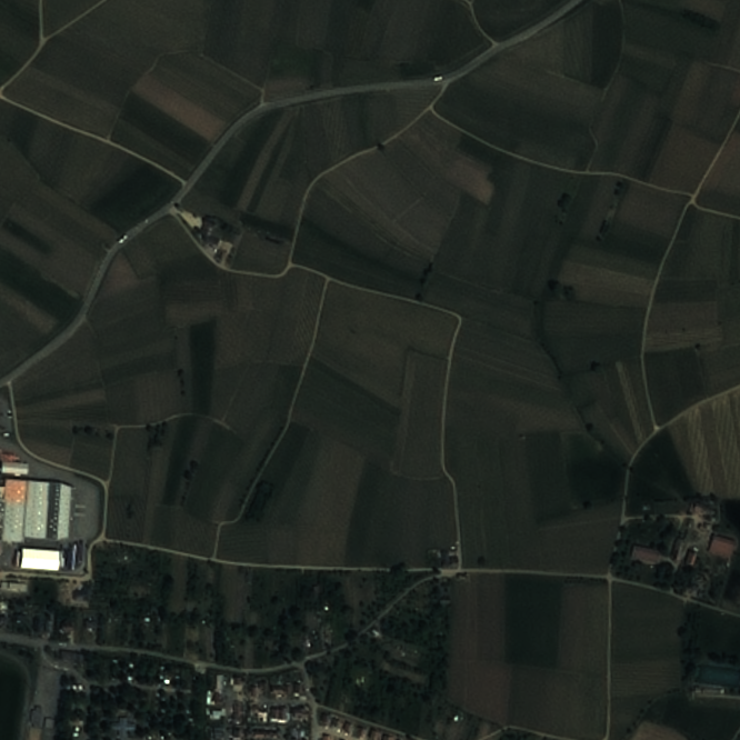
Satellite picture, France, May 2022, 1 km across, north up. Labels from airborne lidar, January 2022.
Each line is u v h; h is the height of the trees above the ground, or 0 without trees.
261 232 0
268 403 0
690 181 0
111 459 0
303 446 0
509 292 0
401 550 0
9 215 0
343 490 0
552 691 0
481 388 0
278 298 0
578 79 0
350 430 0
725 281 0
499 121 0
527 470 0
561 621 0
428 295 0
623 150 0
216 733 0
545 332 0
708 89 0
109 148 0
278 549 0
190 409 0
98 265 0
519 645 0
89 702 11
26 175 0
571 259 0
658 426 0
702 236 0
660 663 0
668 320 0
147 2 0
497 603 0
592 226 0
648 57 0
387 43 0
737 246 0
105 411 0
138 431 0
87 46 0
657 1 0
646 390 0
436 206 0
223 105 0
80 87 0
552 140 0
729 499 0
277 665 0
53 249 0
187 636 0
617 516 0
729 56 0
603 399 0
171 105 0
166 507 0
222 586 0
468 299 0
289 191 0
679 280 0
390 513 0
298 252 0
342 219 0
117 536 0
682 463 0
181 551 0
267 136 0
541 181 0
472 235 0
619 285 0
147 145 0
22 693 0
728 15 0
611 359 0
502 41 0
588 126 0
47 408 0
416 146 0
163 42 0
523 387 0
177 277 0
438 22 0
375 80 0
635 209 0
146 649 0
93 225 0
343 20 0
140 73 0
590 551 0
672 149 0
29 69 0
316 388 0
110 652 0
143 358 0
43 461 0
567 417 0
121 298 0
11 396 0
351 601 0
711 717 0
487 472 0
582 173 0
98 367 0
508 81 0
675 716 0
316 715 0
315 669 12
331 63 0
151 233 0
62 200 0
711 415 0
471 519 0
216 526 0
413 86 0
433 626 7
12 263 0
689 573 15
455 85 0
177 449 0
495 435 0
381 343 0
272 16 0
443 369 0
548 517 0
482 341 0
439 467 0
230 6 0
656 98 0
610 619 0
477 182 0
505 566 0
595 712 0
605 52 0
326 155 0
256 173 0
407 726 0
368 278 0
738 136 0
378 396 0
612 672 0
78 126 0
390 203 0
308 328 0
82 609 0
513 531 0
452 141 0
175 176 0
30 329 0
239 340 0
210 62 0
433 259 0
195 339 0
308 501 0
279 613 0
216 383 0
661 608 0
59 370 0
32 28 0
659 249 0
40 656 0
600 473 0
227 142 0
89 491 0
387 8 0
